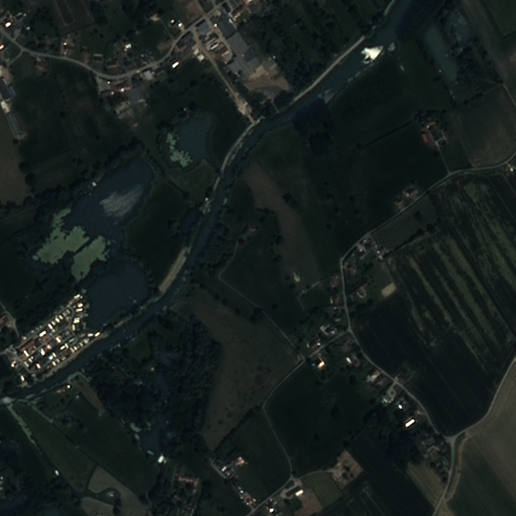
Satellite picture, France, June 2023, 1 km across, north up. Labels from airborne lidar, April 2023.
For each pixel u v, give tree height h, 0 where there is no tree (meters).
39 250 0
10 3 0
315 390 0
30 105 0
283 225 0
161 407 14
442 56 0
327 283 0
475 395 0
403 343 0
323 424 0
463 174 0
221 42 0
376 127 0
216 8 0
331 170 0
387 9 0
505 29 0
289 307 0
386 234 0
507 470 0
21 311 0
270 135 0
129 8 23
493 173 0
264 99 0
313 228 0
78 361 0
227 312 0
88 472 0
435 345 0
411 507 0
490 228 0
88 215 0
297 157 0
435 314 0
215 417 0
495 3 0
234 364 0
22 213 0
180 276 0
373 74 0
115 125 0
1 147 0
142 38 0
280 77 0
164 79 0
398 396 0
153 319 12
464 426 0
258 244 0
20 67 0
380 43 0
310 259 0
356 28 0
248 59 0
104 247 0
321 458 0
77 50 0
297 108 0
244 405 0
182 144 0
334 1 0
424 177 0
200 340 27
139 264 7
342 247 0
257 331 0
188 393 21
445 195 0
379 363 0
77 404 0
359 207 0
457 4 18
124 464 0
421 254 0
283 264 0
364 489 0
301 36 0
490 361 0
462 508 0
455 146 0
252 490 0
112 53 0
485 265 0
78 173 0
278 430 0
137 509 0
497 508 0
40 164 0
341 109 0
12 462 23
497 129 0
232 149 0
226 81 0
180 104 0
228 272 0
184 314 0
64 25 0
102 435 0
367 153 0
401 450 30
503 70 0
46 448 0
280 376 0
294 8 0
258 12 0
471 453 0
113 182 0
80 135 0
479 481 0
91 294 0
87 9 0
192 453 0
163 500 18
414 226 0
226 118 0
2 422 0
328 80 0
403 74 0
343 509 0
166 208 0
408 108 0
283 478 0
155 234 0
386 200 0
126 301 0
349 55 0
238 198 0
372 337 0
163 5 0
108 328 8
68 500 0
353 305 12
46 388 0
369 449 0
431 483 0
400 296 0
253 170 0
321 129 0
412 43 0
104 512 0
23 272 0
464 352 0
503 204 0
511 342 0
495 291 0
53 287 0
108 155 0
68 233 0
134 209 0
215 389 0
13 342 8
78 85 0
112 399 31
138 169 0
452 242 0
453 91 0
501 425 0
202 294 0
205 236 0
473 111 0
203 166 0
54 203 28
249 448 0
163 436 25
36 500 26
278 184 0
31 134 0
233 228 0
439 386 0
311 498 0
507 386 0
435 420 0
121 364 11
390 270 0
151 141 0
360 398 0
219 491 0
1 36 0
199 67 0
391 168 0
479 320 0
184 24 0
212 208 0
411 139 0
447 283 0
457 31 0
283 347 0
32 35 0
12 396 0
